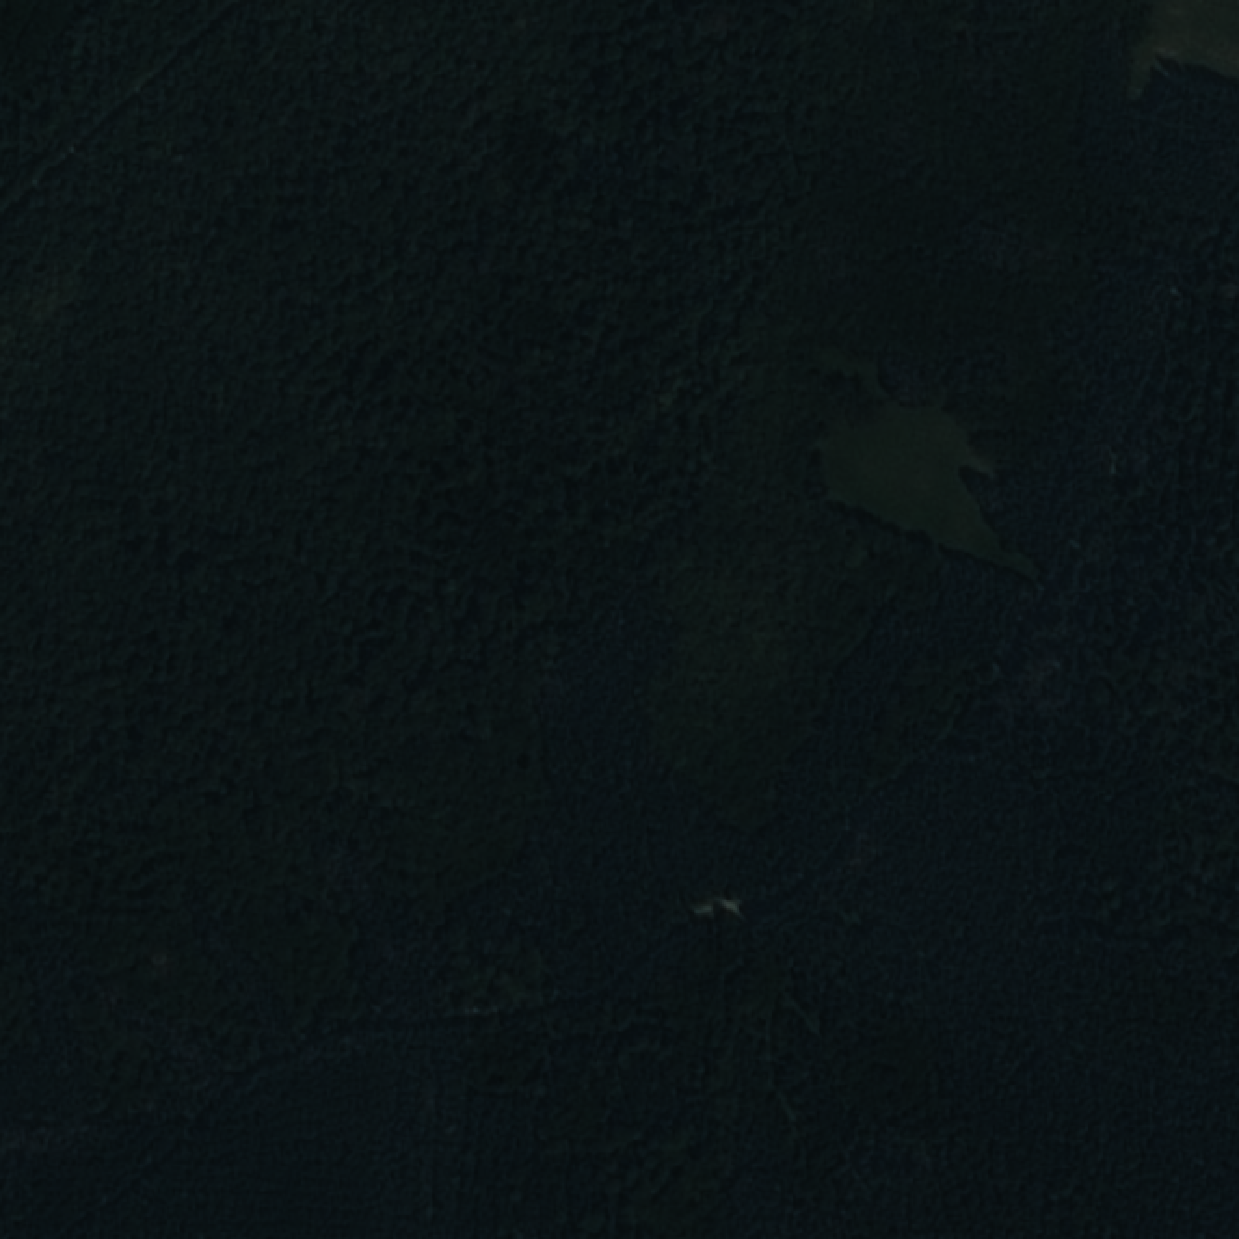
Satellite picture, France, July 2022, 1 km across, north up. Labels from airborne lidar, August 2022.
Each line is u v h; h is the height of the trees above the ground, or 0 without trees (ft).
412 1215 74
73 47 44
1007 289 57
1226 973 107
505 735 74
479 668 80
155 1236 56
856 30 47
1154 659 91
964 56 44
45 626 60
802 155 62
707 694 62
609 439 68
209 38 55
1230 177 73
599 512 78
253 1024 66
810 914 69
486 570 42
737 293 76
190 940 68
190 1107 44
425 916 68
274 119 62
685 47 82
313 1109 74
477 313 32
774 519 74
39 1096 63
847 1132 54
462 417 42
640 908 61
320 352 77
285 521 73
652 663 51
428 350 47
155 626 73
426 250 65
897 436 0
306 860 66
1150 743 78
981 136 47
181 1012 69
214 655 74
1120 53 52
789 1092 58
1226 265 34
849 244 62
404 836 66
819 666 89
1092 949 82
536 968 62
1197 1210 80
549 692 62
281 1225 66
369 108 51
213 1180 72
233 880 57
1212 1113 66
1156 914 83
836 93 50
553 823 57
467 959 71
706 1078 54
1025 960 75
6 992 53
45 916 65
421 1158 77
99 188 43
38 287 43
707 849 57
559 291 70
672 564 58
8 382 39
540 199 72
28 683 49
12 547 85
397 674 78
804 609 80
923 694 85
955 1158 55
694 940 58
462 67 48
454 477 31
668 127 82
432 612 82
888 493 0
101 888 56
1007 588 89
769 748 74
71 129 46
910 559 85
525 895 66
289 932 77
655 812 57
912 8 43
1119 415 84
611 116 98
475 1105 61
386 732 61
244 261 53
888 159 55
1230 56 0
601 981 50
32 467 70
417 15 44
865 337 53
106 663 76
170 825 66
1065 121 39
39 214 44
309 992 68
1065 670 99
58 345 40
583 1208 76
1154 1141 73
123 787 60
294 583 47
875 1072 40
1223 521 67
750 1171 70
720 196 55
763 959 53
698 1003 36
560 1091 49
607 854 59
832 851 77
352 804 59
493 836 71
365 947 56
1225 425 35
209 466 64
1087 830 76
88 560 58
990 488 76
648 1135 77
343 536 54
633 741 53
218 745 65
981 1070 64
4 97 88
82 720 79
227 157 50
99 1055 65
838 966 60
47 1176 57
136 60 59
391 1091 66
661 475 68
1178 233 68
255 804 58
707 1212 76
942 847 58
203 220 50
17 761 46
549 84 62
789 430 63
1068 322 83
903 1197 58
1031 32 64
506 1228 55
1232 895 84
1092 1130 66
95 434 57
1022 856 70
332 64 49
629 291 40
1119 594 97
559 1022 46
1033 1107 74
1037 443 66
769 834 71
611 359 90
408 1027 87
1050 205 46
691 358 34
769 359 43
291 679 79
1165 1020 55
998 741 60
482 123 69
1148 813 71
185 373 65
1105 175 69
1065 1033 56
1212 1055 71
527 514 73
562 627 64
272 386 58
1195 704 73
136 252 44
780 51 68
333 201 67
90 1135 67
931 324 62
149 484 71
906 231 56
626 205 46
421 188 57
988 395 40
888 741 68
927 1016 61
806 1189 56
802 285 49
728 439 45
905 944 83
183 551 23
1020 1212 58
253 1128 63
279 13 45
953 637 94
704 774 63
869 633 97
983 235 75
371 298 69
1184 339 43
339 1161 69
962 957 75
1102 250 54
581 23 63
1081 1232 63
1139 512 90
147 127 41
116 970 61
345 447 71
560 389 52
